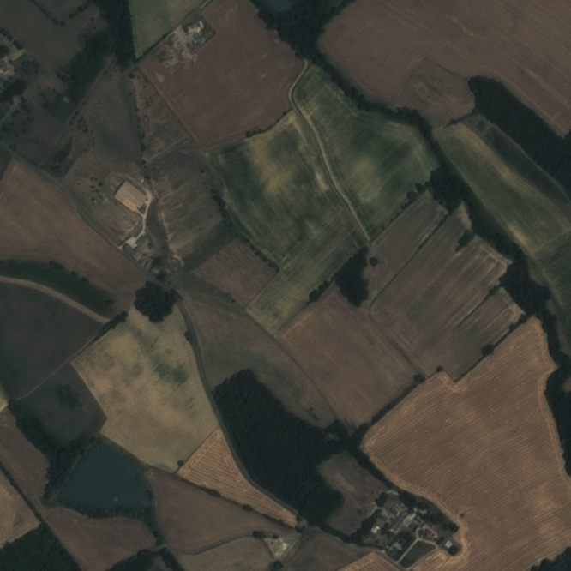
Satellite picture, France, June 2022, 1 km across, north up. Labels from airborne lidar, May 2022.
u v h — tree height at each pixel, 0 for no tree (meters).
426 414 0
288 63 0
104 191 0
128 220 0
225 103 0
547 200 0
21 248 0
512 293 15
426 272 0
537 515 0
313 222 0
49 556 6
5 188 0
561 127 0
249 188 0
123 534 0
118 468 0
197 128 0
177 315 0
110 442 0
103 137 0
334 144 0
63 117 0
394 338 0
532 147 14
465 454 0
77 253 0
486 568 0
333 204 0
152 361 0
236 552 0
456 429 0
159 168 0
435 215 0
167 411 0
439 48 0
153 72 0
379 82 0
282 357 0
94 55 7
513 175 0
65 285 0
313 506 18
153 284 15
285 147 0
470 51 0
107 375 0
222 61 0
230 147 0
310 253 0
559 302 0
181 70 0
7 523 0
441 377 0
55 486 9
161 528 0
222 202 12
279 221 0
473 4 0
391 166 0
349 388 0
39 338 0
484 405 0
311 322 0
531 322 0
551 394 12
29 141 0
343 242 0
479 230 19
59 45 0
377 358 0
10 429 0
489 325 0
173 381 0
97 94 0
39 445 19
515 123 15
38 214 0
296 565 0
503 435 0
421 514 11
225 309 0
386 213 0
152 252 0
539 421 0
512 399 0
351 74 0
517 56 0
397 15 0
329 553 0
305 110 0
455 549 12
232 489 0
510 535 0
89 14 0
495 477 0
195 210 0
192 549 0
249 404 17
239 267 0
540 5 0
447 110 0
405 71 0
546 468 0
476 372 0
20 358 0
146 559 17
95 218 0
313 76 0
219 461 0
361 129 0
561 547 0
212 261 0
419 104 0
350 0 9
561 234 0
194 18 0
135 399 0
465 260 0
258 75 0
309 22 15
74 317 0
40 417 0
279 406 14
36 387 0
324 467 0
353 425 0
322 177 0
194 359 0
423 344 0
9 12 0
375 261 12
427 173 0
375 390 0
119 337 0
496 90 12
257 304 0
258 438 16
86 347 0
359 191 0
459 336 0
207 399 0
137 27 0
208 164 0
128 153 0
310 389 0
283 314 0
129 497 0
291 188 0
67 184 0
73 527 0
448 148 0
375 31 0
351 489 0
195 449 0
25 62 6
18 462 0
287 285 0
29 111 7
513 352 0
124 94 0
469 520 0
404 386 0
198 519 0
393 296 0
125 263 0
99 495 0
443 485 0
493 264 0
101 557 0
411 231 0
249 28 0
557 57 0
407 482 0
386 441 0
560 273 0
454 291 0
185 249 0
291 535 0
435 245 0
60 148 0
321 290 10
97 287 0
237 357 0
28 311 0
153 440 0
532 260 0
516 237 0
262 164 0
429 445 0
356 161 0
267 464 18
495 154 0
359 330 0
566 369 15
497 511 0
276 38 0
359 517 0
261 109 0
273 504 0
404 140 0
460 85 0
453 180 17
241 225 0
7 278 0
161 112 0
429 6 0
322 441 13
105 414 0
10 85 8
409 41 0
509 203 0
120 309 0
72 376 0
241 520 0
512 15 0
